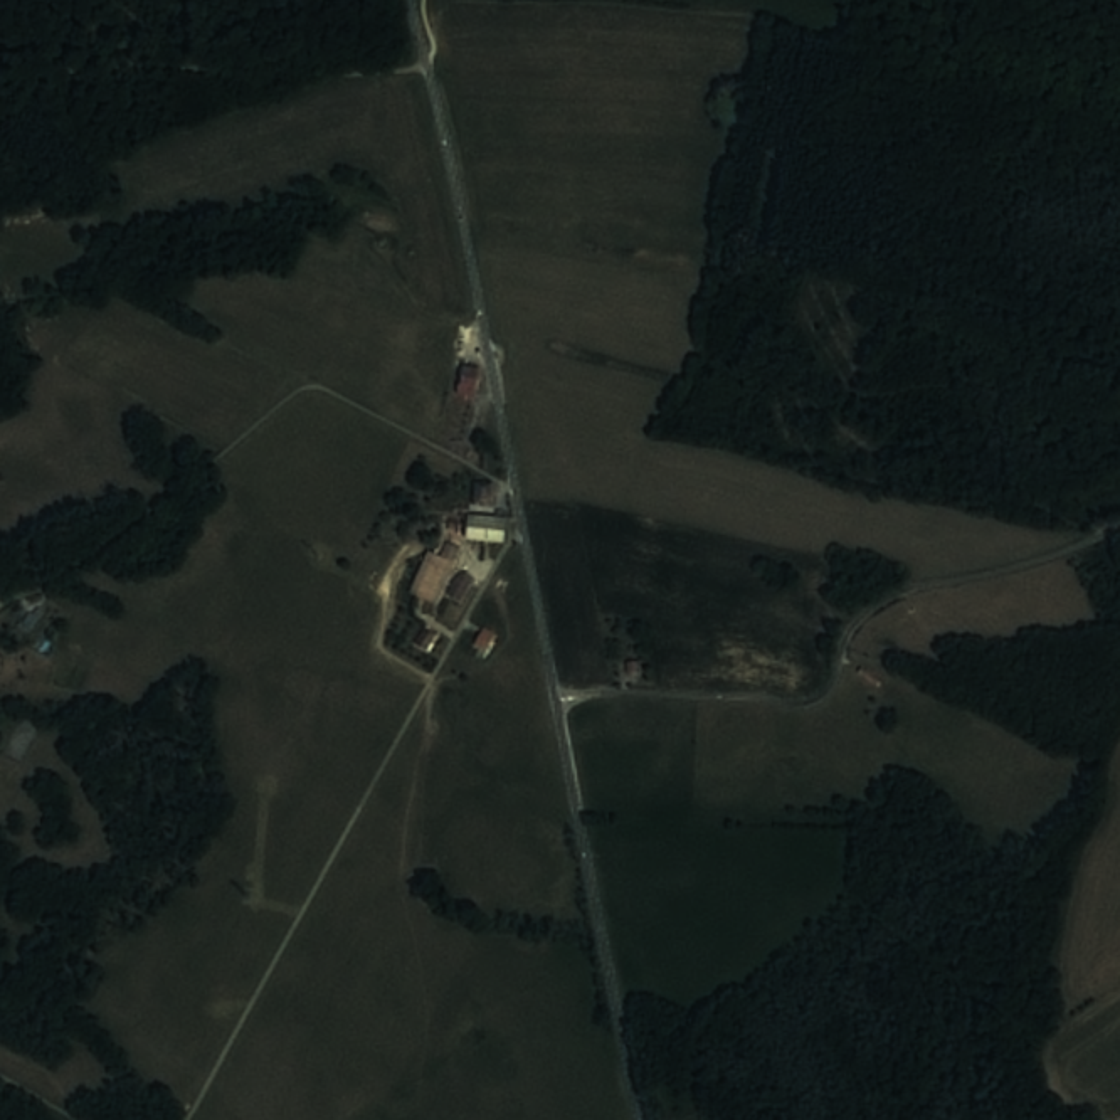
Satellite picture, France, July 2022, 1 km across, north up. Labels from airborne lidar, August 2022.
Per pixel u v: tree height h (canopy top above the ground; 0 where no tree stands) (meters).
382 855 0
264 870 0
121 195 20
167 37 8
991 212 16
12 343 24
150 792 18
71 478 0
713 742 0
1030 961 24
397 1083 0
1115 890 0
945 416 6
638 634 16
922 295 23
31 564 6
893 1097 23
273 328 0
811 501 0
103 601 16
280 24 20
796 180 23
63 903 25
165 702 20
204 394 0
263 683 0
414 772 0
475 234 0
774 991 19
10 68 27
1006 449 15
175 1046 0
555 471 0
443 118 0
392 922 0
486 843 0
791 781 0
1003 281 21
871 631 0
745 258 21
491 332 0
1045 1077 17
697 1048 18
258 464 0
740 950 0
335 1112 0
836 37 22
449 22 0
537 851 0
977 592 0
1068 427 22
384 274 0
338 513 0
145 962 0
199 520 16
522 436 0
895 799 22
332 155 0
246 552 0
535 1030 0
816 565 0
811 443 8
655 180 0
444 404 0
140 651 0
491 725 0
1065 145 17
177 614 0
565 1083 0
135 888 22
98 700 15
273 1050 0
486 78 0
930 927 20
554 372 0
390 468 0
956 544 0
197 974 0
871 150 15
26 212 27
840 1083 21
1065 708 13
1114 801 0
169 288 22
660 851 0
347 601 0
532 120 0
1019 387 16
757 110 21
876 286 20
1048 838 24
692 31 0
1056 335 28
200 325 22
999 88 24
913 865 23
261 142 0
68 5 29
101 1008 0
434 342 0
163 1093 20
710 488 0
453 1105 0
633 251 0
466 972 0
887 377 6
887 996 22
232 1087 0
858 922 17
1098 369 21
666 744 0
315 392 0
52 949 24
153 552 8
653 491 0
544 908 0
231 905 0
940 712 0
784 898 0
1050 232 18
